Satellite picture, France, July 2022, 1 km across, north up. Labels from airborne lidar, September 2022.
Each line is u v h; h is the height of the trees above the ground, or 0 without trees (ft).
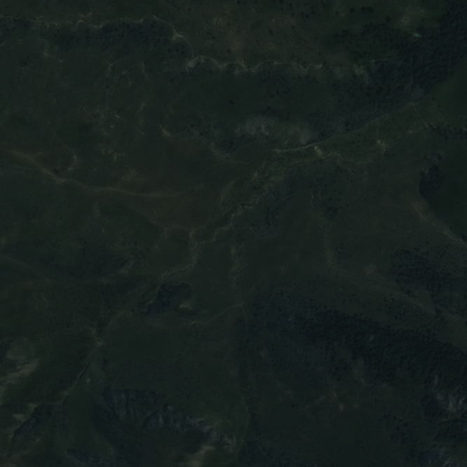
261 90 0
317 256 0
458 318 0
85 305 0
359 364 0
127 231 0
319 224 0
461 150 0
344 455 0
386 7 0
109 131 0
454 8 46
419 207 0
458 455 0
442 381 57
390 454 0
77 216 0
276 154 0
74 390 0
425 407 28
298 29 0
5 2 0
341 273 0
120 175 0
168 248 0
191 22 0
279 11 0
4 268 0
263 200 0
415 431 0
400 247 0
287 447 0
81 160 0
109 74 0
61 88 0
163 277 0
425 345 44
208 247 0
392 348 55
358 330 37
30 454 0
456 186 0
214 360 0
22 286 0
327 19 0
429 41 26
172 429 0
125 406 0
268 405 0
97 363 0
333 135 0
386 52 20
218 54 0
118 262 0
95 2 0
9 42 0
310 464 0
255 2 23
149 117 0
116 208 0
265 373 0
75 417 0
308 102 0
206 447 0
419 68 32
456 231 0
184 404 0
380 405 0
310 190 0
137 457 0
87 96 0
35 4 0
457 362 69
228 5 0
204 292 0
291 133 0
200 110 0
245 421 0
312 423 0
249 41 0
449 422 36
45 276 0
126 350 0
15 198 0
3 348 0
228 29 0
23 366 0
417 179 0
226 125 0
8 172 0
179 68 0
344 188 0
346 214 0
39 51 0
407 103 0
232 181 0
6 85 0
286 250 0
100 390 0
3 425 0
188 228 0
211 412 0
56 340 0
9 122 0
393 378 54
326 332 55
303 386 0
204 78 0
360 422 0
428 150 0
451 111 0
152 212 0
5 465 0
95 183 0
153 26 29
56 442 0
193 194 0
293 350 30
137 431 0
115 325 0
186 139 0
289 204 0
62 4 0
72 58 0
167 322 0
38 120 0
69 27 0
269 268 0
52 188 0
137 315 0
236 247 0
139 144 0
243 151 0
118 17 0
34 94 0
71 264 0
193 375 0
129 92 0
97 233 0
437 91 0
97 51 0
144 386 0
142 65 0
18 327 0
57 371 0
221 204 0
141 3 0
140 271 0
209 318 0
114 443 0
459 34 77
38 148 0
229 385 0
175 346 0
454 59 50
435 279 44
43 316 0
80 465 0
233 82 0
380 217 0
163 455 0
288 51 0
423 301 0
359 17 0
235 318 0
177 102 0
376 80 26
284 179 0
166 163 0
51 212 0
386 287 0
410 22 0
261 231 0
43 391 0
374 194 0
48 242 0
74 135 0
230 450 0
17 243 0
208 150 0
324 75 0
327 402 0
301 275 0
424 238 0
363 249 0
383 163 0
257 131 0
